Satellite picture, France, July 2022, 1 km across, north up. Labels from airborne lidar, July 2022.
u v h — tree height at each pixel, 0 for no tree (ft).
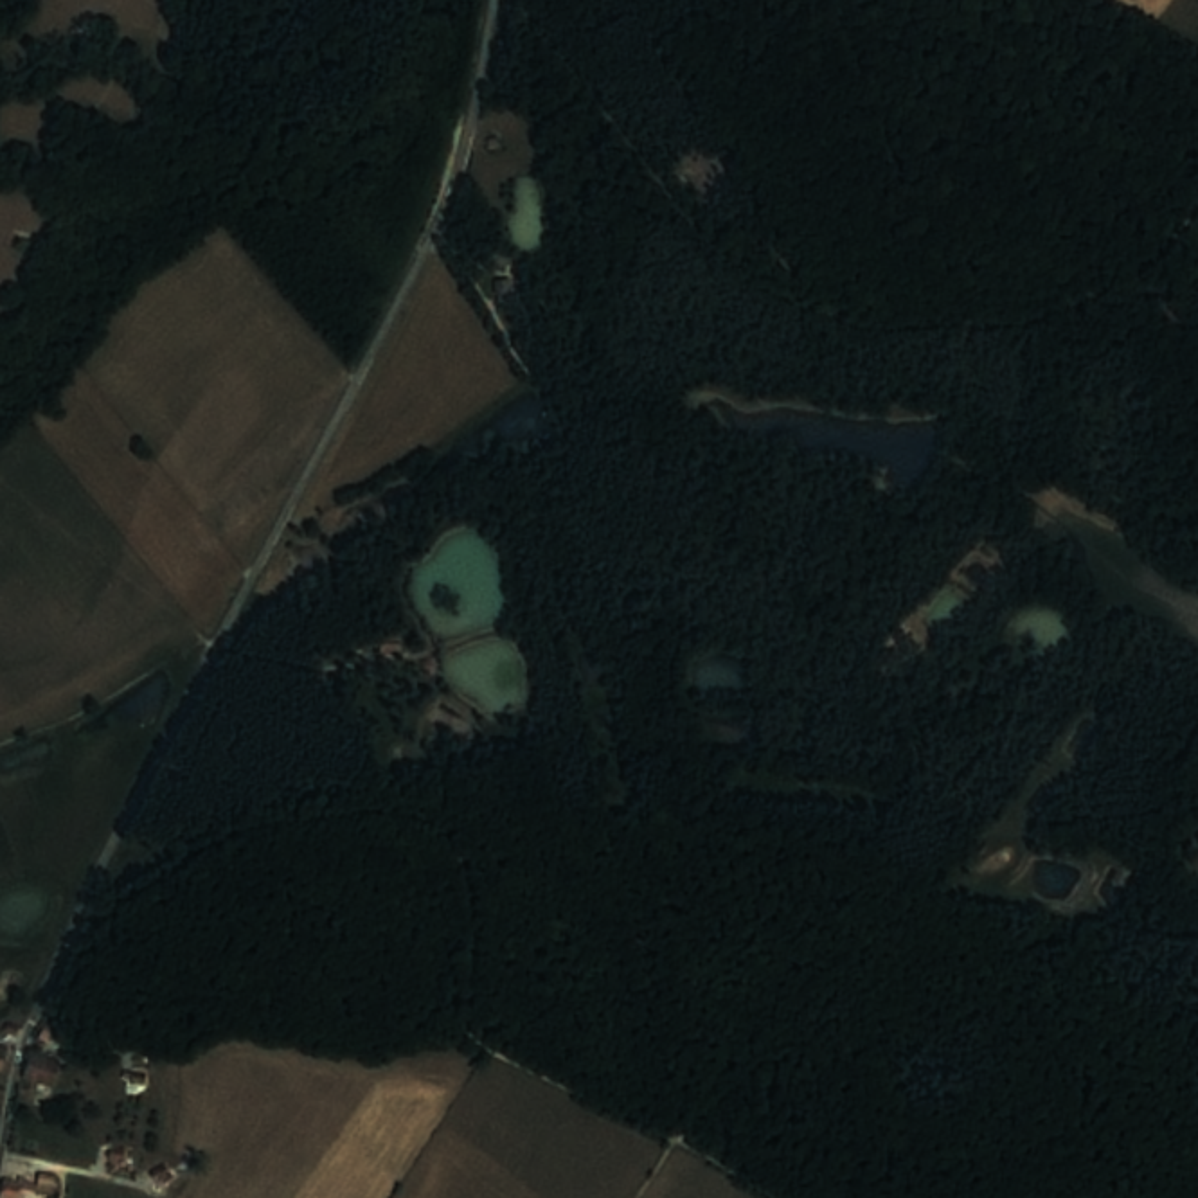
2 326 59
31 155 71
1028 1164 84
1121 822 70
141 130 60
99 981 87
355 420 0
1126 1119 85
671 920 80
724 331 44
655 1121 77
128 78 72
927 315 69
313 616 88
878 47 98
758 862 82
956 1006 76
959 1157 81
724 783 77
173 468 0
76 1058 43
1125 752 59
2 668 0
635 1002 76
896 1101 105
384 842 80
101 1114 33
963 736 55
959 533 35
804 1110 81
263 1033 69
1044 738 53
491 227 72
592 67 50
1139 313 85
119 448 0
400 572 64
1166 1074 83
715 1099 86
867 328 47
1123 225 94
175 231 86
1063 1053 91
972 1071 105
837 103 86
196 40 89
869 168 93
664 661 44
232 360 0
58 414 62
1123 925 78
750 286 51
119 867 0
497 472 64
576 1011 82
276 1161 0
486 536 54
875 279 95
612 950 83
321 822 83
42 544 0
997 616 46
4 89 79
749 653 50
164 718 0
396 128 89
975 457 71
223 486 0
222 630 0
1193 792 77
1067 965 77
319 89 56
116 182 57
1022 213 94
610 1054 85
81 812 0
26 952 0
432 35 89
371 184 83
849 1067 89
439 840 83
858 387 71
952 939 78
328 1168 0
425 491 57
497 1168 0
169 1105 0
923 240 98
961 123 96
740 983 60
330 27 84
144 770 0
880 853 78
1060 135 97
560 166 92
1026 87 101
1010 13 88
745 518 72
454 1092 0
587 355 37
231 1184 0
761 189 74
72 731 0
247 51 74
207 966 76
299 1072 0
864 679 62
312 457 0
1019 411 32
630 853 79
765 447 51
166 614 0
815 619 79
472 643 0
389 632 78
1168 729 56
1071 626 46
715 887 79
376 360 0
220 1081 0
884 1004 77
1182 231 79
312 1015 82
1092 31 88
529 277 54
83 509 0
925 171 83
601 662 80
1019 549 31
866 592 28
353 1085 0
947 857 70
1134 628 27
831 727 74
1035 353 61
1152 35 86
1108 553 0
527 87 74
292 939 72
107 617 0
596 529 66
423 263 0
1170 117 93
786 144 79
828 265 88
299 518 0
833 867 73
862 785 85
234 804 74
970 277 91
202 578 0
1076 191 93
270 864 83
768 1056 79
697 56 94
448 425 0
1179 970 103
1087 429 39
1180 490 75
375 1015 79
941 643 60
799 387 65
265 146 95
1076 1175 79
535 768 75
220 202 82
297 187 102
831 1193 94
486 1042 86
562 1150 0
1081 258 89
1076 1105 74
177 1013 80
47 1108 40
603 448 78
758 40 96
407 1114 0
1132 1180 71
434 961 86
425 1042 65
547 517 48
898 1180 76
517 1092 0
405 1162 0
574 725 68
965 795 41
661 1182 0
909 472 0
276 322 0
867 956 80
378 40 88
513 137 0
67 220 64
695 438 62
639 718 52
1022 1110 81
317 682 79
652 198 61
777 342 34
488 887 83
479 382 0
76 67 72
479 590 0
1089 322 80
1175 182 89
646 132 51
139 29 0
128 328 0
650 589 41
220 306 0
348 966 89
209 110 73
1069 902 0
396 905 87
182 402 0
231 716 87
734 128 84
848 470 34
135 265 95
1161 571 62
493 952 82
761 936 85
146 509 0
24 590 0
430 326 0
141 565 0
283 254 21
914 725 63
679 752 59
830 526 56
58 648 0
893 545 21
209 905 90
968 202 96
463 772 92
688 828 81
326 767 83
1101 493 41
